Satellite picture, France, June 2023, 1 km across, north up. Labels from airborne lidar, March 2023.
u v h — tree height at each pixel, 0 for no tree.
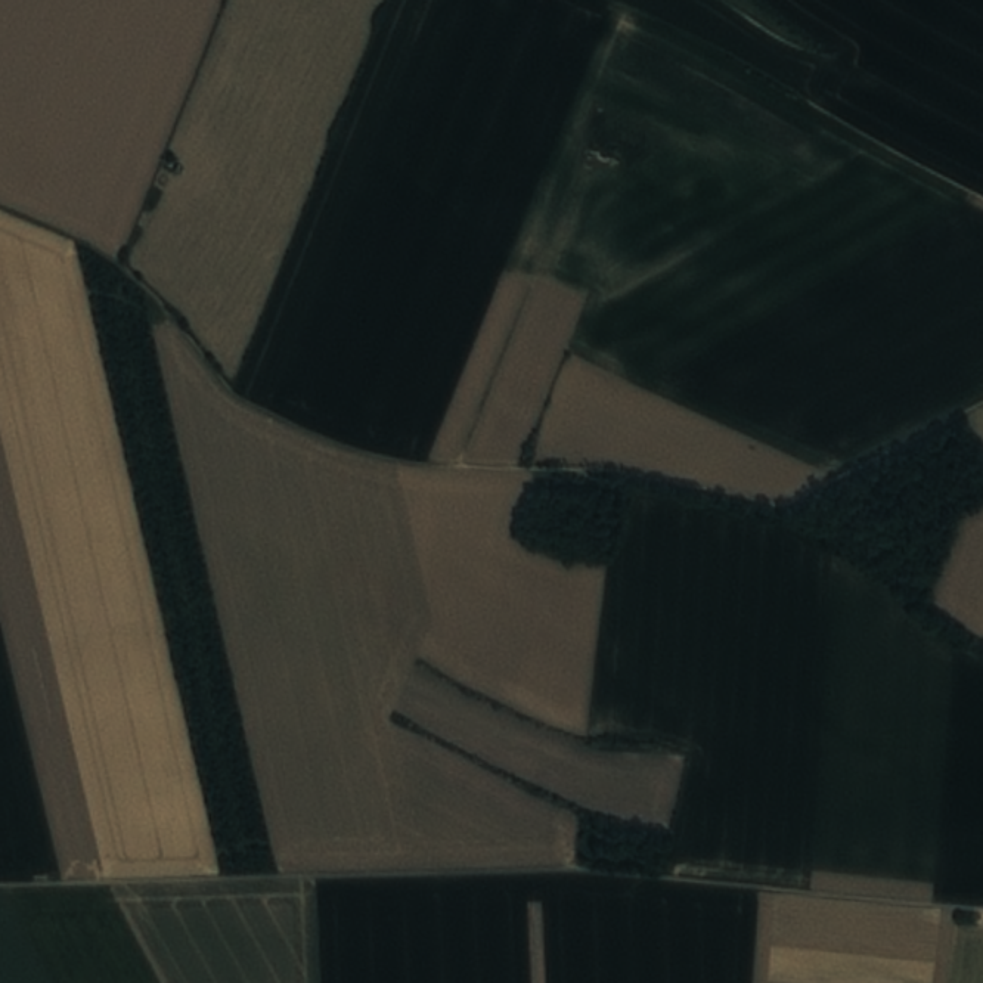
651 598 0
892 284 0
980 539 0
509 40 0
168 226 0
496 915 0
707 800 0
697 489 19
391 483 0
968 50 0
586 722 0
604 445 0
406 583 0
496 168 0
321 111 0
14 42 0
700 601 0
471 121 0
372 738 0
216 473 0
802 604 0
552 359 0
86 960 0
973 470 27
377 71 0
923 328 0
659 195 0
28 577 0
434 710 0
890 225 0
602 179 0
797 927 0
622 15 0
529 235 0
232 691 9
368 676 0
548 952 0
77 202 0
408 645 0
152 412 9
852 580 0
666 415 0
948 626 23
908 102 0
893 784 0
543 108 0
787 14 0
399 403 0
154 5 0
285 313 0
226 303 0
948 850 0
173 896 0
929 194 0
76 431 0
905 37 0
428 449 0
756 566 0
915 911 0
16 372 0
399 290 0
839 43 0
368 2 0
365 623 0
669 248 0
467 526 0
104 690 0
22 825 0
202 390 0
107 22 0
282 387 0
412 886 0
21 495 0
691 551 0
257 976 0
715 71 0
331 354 0
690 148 0
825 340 0
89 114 0
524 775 0
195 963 0
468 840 0
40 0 0
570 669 0
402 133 0
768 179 0
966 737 0
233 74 0
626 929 0
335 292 0
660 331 0
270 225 0
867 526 26
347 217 0
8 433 0
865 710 0
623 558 0
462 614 0
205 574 10
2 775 0
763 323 0
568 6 0
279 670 0
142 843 0
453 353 0
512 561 0
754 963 0
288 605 0
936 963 0
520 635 0
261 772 0
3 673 0
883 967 0
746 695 0
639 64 0
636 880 0
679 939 0
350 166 0
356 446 0
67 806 0
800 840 0
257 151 0
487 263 0
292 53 0
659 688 0
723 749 0
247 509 0
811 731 0
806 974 0
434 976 0
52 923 0
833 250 0
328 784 0
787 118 0
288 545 0
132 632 0
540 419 0
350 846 0
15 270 0
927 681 0
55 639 0
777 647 0
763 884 0
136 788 0
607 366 0
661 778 0
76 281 0
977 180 0
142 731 0
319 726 0
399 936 0
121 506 0
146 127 0
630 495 17
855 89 0
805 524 20
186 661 6
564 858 0
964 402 0
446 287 0
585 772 0
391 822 0
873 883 0
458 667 0
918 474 17
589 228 0
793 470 0
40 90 0
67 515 0
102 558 0
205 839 0
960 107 0
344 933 0
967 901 0
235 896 0
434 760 0
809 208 0
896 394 0
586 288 0
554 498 20
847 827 0
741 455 0
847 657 0
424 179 0
